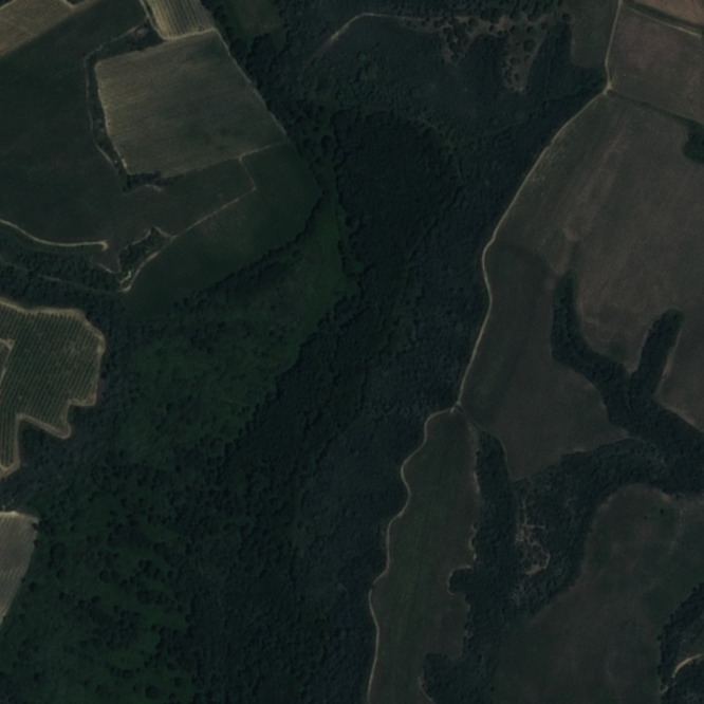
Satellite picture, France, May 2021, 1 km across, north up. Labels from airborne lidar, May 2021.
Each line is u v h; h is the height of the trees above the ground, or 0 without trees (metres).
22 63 0
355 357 24
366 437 7
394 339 8
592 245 0
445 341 9
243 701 26
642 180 0
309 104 13
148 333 13
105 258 0
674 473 14
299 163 0
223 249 0
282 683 20
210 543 7
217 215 0
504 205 8
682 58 0
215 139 0
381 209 24
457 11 9
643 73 0
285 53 11
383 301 19
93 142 0
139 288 0
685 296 0
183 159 0
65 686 6
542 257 0
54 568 17
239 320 7
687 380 0
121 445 9
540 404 0
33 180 0
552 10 8
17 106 0
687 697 6
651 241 0
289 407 25
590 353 10
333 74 8
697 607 11
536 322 0
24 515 0
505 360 0
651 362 13
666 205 0
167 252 0
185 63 0
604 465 9
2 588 0
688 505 0
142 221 0
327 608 12
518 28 8
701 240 0
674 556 0
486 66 10
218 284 13
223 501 21
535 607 12
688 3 0
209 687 14
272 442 26
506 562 7
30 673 6
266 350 8
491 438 7
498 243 0
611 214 0
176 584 14
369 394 12
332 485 6
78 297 11
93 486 7
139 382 8
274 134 0
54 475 11
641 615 0
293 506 20
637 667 0
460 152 12
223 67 0
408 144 22
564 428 0
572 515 8
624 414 10
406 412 7
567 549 9
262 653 17
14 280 10
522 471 0
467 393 0
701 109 0
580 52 0
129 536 19
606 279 0
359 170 22
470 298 7
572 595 0
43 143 0
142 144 0
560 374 0
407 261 19
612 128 0
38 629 9
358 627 7
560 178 0
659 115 0
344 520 9
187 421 10
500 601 7
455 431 0
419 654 0
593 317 0
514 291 0
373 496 14
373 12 0
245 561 15
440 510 0
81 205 0
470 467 0
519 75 7
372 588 6
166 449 9
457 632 0
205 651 18
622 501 0
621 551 0
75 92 0
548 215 0
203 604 20
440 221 15
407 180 25
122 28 0
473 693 12
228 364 9
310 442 20
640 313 0
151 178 13
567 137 0
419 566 0
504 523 10
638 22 0
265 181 0
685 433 7
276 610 14
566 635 0
